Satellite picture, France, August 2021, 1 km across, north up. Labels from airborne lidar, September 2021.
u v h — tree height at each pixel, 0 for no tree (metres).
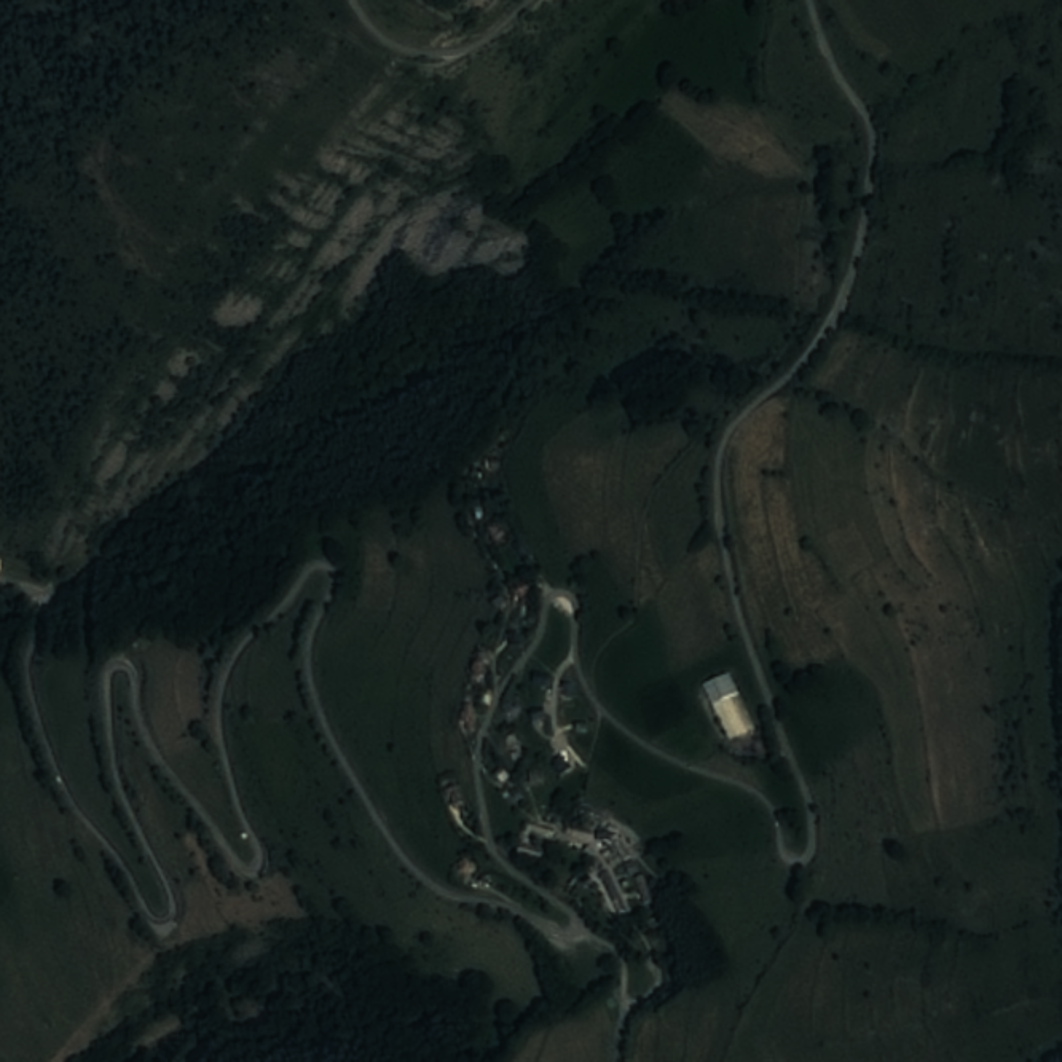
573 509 0
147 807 0
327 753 8
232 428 13
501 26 0
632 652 0
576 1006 13
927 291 0
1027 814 8
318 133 0
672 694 0
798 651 0
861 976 0
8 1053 0
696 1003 0
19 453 9
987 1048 0
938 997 0
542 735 0
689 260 0
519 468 0
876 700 0
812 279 0
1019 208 0
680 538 0
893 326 0
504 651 0
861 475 0
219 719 0
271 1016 17
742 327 0
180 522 16
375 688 0
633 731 0
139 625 19
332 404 33
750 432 0
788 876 0
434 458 27
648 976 0
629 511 0
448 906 0
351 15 0
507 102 0
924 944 0
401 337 28
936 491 0
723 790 0
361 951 19
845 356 0
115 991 0
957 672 0
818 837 0
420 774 0
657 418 6
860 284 0
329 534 22
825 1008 0
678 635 0
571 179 20
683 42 0
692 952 21
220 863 7
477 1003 19
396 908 0
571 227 0
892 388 0
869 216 8
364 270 0
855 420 8
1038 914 0
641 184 0
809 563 0
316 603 8
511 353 12
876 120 9
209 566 29
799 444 0
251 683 0
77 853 8
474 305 21
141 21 7
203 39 6
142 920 10
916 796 0
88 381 11
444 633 0
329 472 34
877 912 11
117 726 0
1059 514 0
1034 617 0
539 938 11
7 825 0
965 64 0
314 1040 15
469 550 0
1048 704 0
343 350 24
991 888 0
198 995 15
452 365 30
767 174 0
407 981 20
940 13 0
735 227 0
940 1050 0
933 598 0
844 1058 0
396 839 0
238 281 6
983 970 0
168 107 0
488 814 0
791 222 0
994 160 7
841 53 0
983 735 0
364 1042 22
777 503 0
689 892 15
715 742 0
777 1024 0
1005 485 0
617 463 0
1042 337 0
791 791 0
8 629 17
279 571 20
